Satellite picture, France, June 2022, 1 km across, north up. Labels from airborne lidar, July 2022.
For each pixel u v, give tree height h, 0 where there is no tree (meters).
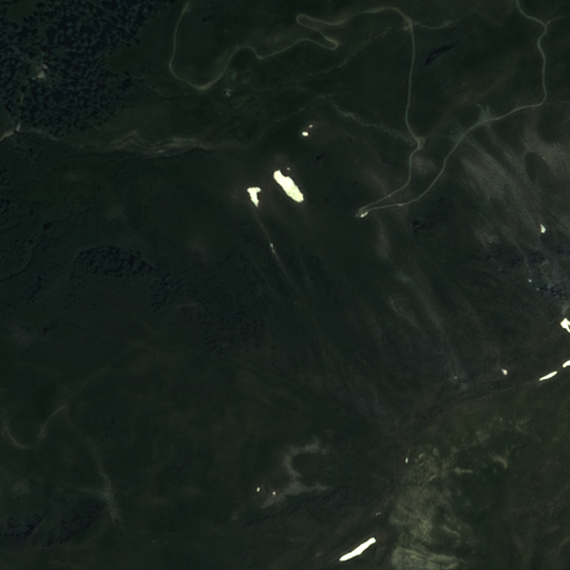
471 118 0
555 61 0
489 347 0
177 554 0
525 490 0
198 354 0
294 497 0
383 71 0
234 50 0
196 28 0
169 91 0
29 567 0
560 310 0
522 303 0
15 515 0
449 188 0
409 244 0
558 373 0
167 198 0
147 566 0
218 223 0
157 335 0
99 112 13
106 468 0
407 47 0
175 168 0
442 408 0
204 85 0
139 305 0
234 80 0
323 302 0
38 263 6
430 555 0
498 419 0
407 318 0
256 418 0
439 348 0
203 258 0
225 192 0
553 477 0
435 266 0
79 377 0
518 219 0
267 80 0
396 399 0
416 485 0
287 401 0
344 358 0
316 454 0
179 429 0
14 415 0
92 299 0
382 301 0
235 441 0
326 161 0
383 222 0
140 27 20
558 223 0
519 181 0
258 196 0
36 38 21
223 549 0
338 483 0
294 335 0
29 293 5
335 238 0
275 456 0
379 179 0
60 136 8
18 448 0
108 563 0
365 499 0
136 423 0
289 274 0
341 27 0
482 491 0
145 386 0
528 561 0
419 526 0
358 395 0
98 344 0
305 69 0
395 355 0
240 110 0
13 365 0
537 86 0
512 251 0
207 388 0
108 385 0
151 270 7
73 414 0
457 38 0
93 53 15
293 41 0
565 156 0
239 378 0
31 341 0
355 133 0
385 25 0
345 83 0
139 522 0
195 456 0
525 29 0
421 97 0
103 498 0
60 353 0
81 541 0
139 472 0
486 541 0
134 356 0
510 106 0
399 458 0
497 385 0
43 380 0
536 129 0
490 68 0
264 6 0
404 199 0
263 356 0
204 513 0
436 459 0
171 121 0
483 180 0
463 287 0
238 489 0
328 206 0
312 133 0
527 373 0
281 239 0
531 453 0
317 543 0
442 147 0
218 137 0
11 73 29
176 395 0
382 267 0
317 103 0
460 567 0
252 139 0
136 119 0
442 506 0
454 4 0
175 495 0
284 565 0
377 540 0
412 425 0
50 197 0
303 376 0
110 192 0
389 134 0
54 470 0
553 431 0
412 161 0
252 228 0
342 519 0
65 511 0
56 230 11
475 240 0
